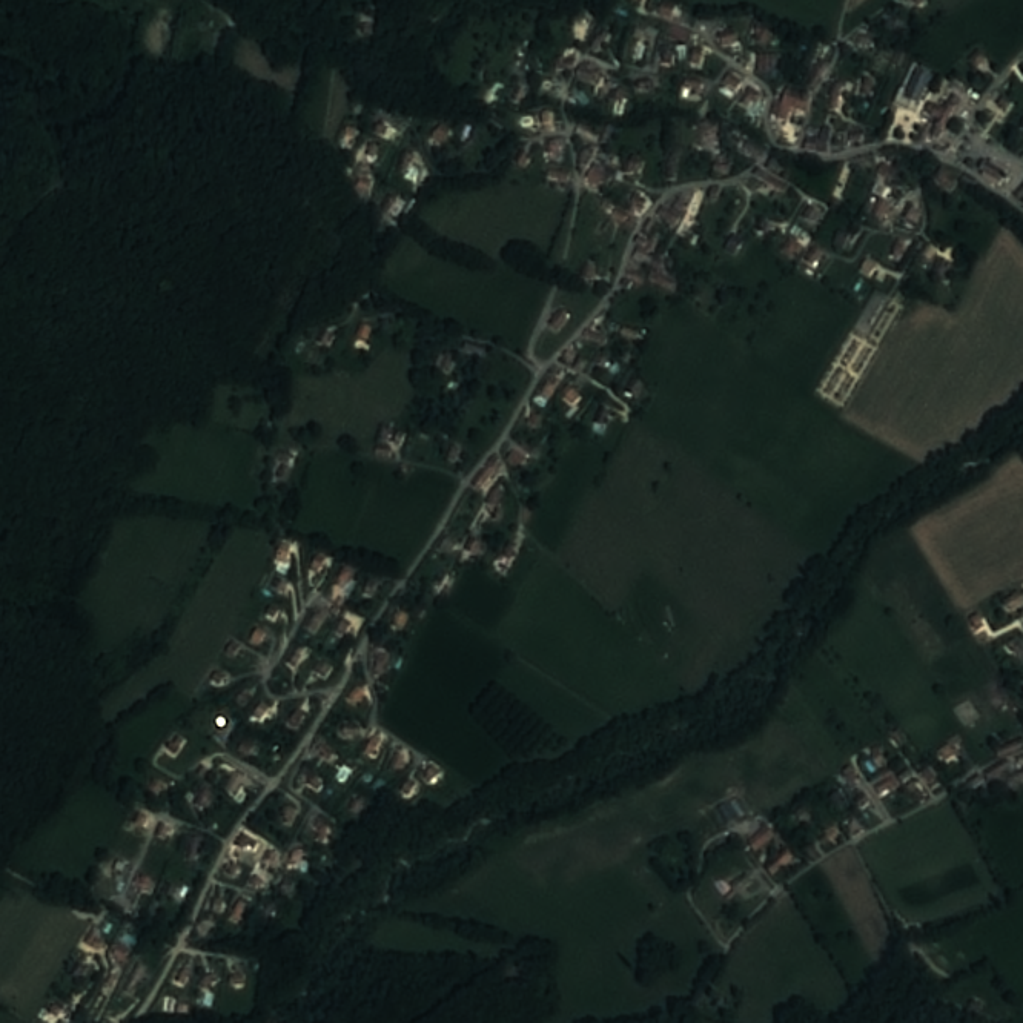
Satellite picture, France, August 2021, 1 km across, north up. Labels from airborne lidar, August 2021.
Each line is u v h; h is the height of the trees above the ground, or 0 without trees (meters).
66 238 33
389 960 12
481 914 0
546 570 0
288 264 19
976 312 0
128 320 29
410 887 12
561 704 0
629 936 0
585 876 0
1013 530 0
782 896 0
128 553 0
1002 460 13
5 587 29
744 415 0
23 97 34
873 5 0
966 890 0
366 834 20
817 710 0
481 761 0
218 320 17
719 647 0
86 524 13
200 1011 14
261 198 19
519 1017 15
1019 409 19
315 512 0
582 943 0
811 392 0
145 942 12
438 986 9
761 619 0
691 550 0
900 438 0
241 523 12
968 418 0
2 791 25
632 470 0
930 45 0
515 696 9
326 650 14
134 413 19
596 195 0
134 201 18
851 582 18
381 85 19
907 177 15
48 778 29
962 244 5
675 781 0
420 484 0
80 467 24
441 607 12
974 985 0
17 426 17
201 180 19
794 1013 19
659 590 0
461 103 11
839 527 0
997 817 0
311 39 14
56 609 14
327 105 0
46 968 0
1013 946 0
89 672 23
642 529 0
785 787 0
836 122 9
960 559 0
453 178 13
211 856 7
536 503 16
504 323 0
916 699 0
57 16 20
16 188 21
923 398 0
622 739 15
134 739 0
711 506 0
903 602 0
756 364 0
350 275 18
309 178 21
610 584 0
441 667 0
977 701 0
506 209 0
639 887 0
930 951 0
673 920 0
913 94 0
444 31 13
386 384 0
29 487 14
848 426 0
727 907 7
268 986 14
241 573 0
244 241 24
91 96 16
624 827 0
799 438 0
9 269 25
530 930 0
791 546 0
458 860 17
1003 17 0
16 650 31
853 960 0
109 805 0
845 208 8
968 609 0
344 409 0
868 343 0
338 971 15
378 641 18
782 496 0
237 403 12
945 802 0
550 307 0
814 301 0
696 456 0
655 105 9
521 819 23
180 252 20
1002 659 7
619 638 0
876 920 0
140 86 33
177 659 0
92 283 32
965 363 0
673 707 13
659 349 0
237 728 6
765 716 19
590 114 9
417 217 15
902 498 7
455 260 16
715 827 0
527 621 0
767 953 0
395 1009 20
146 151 22
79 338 19
